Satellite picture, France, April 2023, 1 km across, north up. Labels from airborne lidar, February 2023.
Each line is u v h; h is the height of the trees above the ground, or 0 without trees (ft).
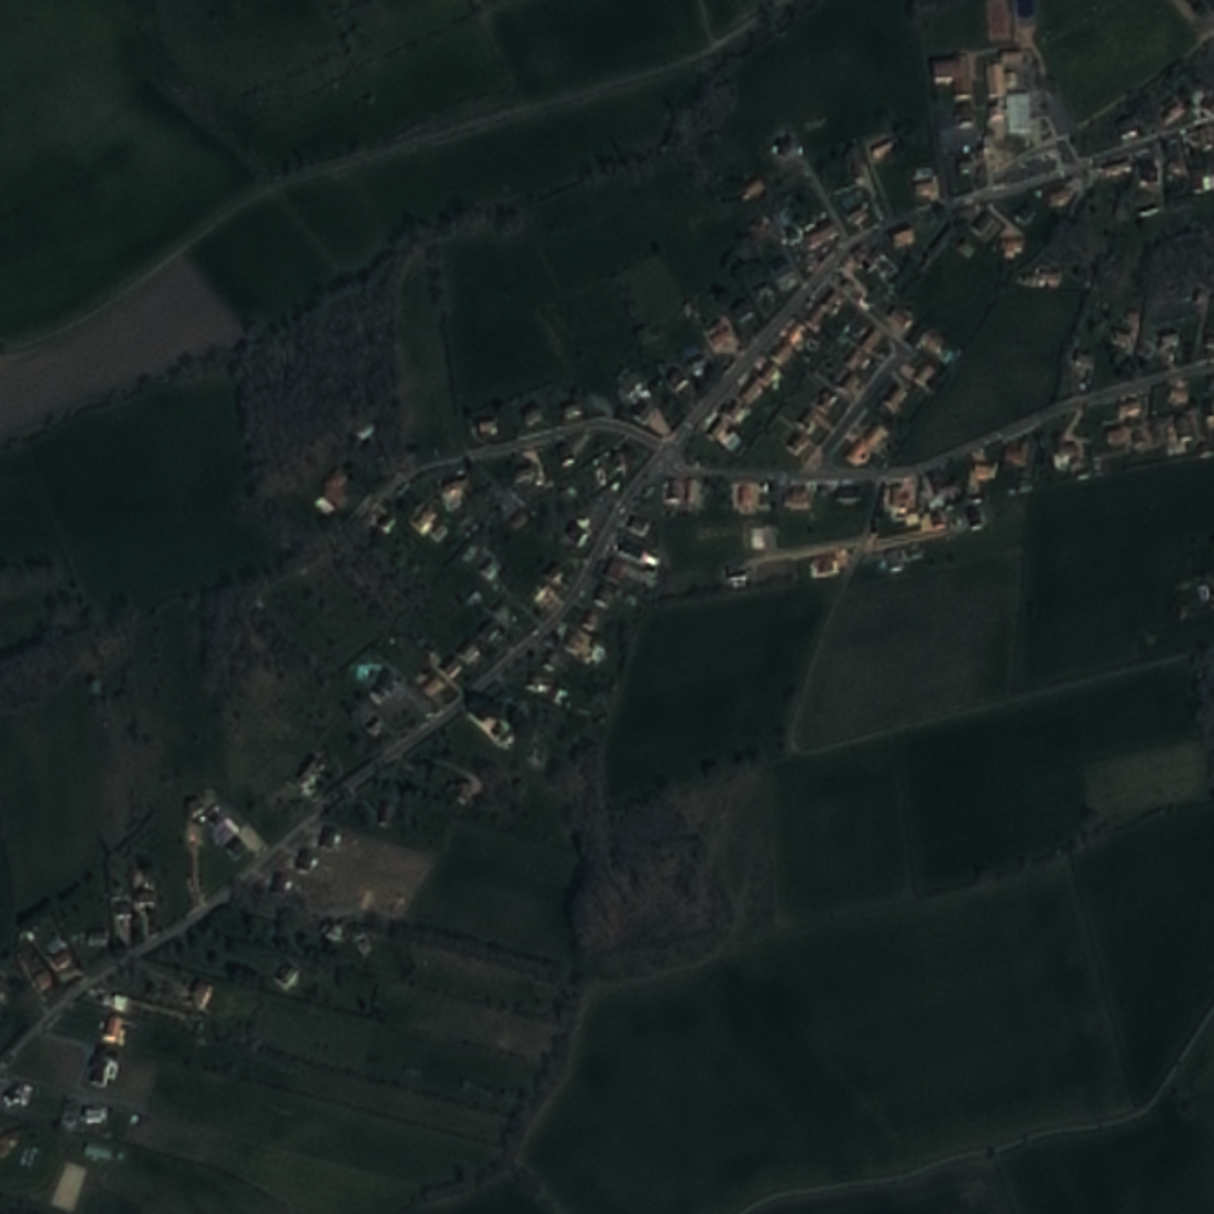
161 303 0
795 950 0
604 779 58
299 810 27
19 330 0
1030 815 0
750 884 0
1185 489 0
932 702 0
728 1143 0
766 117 0
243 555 0
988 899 0
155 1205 0
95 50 0
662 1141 0
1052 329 0
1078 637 0
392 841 0
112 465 0
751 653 0
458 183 0
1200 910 0
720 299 48
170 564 0
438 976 0
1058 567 0
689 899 76
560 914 0
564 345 0
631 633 48
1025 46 0
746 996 0
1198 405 36
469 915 0
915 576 0
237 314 0
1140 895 0
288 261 0
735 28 0
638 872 89
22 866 0
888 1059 0
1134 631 0
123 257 0
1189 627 0
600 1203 0
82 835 0
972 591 0
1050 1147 0
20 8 0
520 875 0
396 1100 0
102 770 0
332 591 0
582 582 0
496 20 0
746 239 31
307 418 56
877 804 0
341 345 58
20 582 57
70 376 0
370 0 31
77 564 0
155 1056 0
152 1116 0
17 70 0
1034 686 0
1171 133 0
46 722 0
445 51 0
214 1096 0
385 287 49
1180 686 0
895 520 0
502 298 0
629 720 0
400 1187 0
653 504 0
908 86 0
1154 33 0
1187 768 0
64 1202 0
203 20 0
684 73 0
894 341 0
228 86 0
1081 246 70
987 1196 0
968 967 0
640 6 0
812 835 0
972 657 0
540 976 60
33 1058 0
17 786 0
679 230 0
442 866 0
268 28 0
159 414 0
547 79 0
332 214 0
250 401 47
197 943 50
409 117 0
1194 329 0
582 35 0
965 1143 0
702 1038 0
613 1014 0
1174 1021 0
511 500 0
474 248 0
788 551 0
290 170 40
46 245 0
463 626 0
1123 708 0
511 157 0
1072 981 0
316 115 0
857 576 0
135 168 0
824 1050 0
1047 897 0
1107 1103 0
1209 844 0
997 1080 0
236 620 39
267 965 0
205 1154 0
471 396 0
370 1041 0
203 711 0
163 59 0
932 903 0
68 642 50
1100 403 0
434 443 0
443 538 0
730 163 0
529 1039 0
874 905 0
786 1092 0
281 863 0
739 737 0
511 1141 51
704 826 0
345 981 40
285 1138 0
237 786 0
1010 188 0
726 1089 0
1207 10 36
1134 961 0
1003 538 0
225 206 0
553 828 0
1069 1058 0
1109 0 0
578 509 44
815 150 0
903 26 0
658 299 0
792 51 0
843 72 0
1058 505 0
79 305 0
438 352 0
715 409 0
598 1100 0
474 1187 55
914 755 0
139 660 0
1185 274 60
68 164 0
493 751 0
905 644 0
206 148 0
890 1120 0
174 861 0
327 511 0
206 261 0
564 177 0
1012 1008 0
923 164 0
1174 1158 0
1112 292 55
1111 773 0
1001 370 0
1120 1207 0
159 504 0
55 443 0
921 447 0
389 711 0
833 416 0
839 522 0
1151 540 0
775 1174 0
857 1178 0
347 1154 0
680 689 0
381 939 59
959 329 0
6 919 0
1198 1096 0
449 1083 0
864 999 0
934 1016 0
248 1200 0
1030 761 0
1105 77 0
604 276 0
